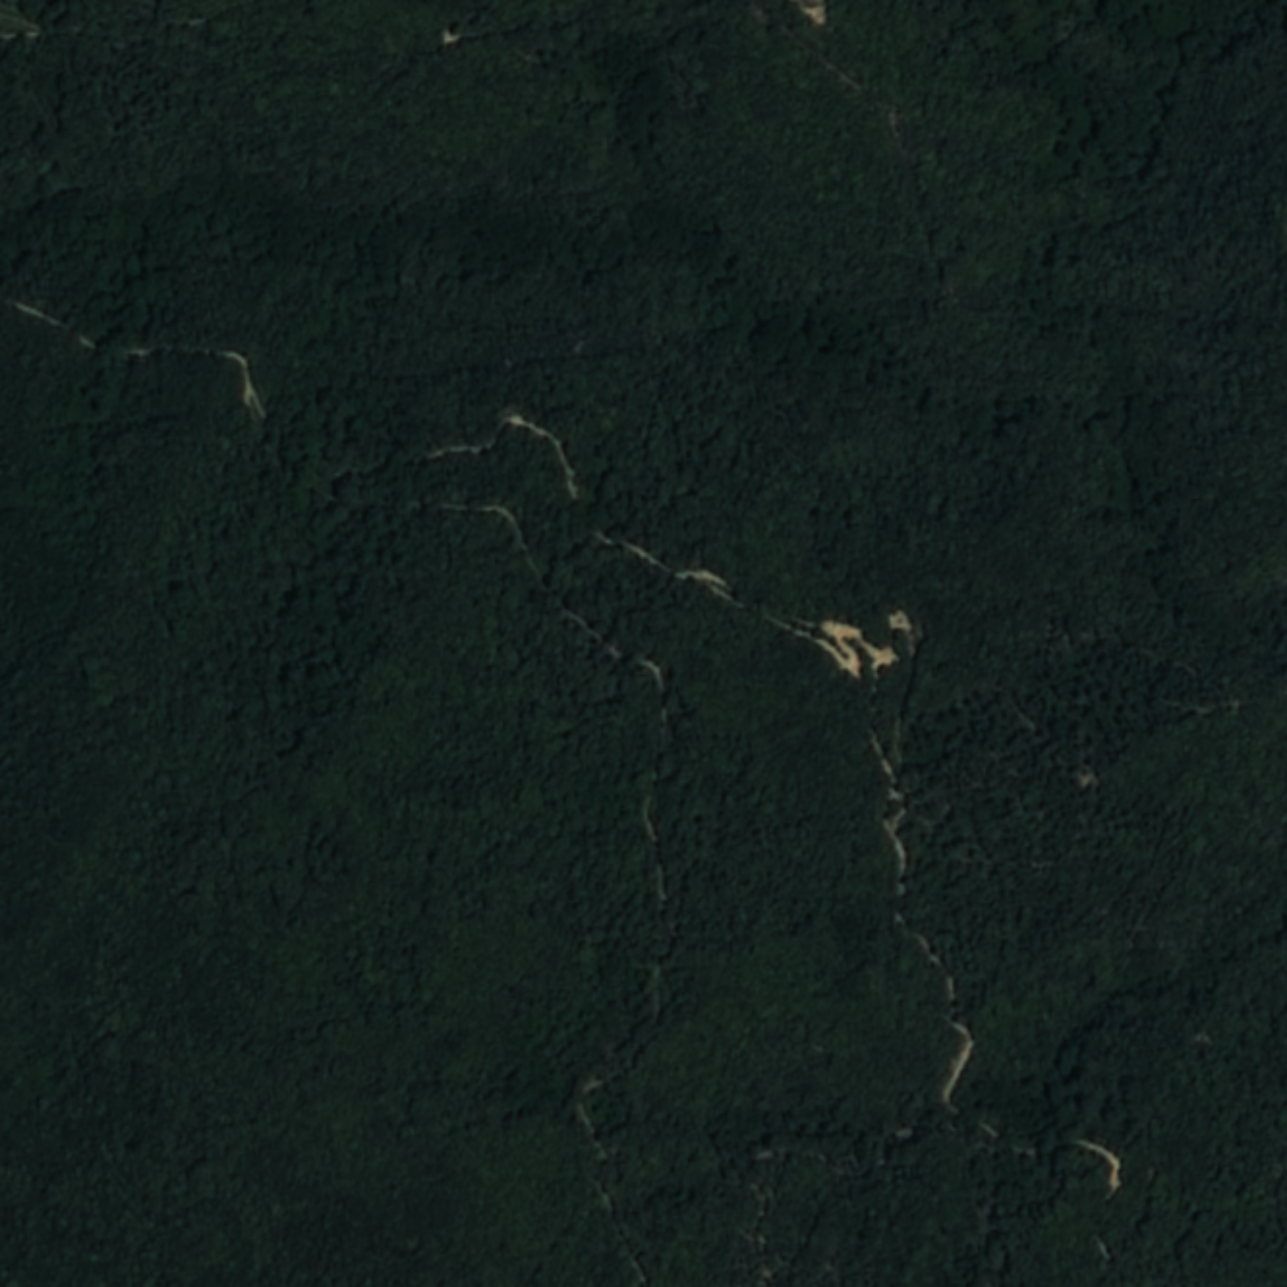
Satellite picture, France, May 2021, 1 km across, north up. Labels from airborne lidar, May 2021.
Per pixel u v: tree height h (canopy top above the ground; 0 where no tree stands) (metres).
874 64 13
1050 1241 17
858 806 13
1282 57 16
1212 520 20
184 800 18
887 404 25
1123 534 19
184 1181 17
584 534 14
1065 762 6
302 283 11
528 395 13
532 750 21
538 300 15
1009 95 19
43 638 8
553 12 9
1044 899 9
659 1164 12
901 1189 15
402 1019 17
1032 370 9
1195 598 23
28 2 13
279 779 19
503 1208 13
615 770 14
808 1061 8
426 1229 15
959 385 12
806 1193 15
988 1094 21
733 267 15
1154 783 14
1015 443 22
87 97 15
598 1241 11
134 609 18
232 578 10
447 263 9
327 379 15
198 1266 11
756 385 14
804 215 13
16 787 13
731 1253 11
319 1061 15
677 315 14
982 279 13
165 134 16
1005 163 19
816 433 14
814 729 14
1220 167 10
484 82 11
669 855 13
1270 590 7
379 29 11
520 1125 18
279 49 18
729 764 14
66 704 15
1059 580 20
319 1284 17
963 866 12
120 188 19
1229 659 19
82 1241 15
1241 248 7
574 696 13
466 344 11
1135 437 25
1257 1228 19
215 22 13
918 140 10
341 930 11
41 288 13
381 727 13
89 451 10
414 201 22
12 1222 11
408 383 15
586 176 19
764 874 13
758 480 10
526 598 9
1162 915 13
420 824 14
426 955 19
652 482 16
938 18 18
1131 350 21
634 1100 17
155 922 15
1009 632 10
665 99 11
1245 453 8
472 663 20
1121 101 30
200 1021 9
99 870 13
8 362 5
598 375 12
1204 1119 13
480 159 17
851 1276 8
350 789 15
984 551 16
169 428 9
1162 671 9
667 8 13
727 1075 10
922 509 11
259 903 19
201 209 15
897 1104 13
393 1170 17
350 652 21
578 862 20
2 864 10
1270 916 20
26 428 7
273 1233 8
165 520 12
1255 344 9
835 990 16
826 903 15
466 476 11
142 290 17
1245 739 11
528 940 16
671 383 19
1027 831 12
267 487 15
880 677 7
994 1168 9
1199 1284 13
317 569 23
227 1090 21
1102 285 10
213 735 20
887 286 18
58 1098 9
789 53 14
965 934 14
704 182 12
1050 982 15
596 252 23
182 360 14
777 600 18
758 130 11
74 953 10
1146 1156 10
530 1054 8
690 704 18
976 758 12
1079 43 14
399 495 15
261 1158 9
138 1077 22
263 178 21
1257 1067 11
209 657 15
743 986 15
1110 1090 14
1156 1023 9
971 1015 15
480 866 9
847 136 10
